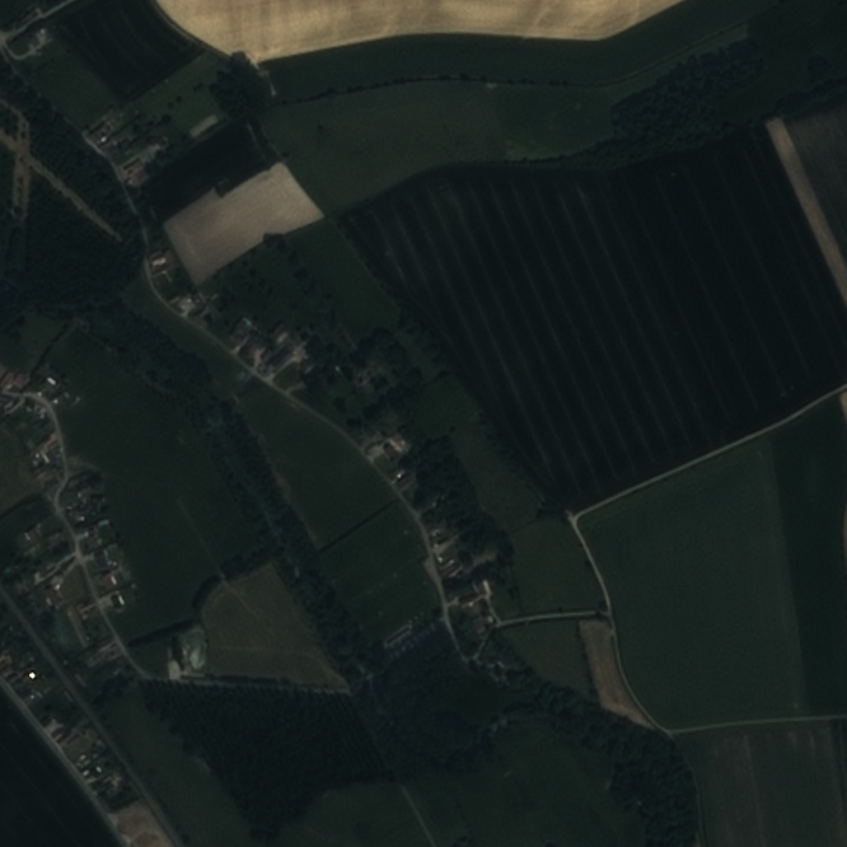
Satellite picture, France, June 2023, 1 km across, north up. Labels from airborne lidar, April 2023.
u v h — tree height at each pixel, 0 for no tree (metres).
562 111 0
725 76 24
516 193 0
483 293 0
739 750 0
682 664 0
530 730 0
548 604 0
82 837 0
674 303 0
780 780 0
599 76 0
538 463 0
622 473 0
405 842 0
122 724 0
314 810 0
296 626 0
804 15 0
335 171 0
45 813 0
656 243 0
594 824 0
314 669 0
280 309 0
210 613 0
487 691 0
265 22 0
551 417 0
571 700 17
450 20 0
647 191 0
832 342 0
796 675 0
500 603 0
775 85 0
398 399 24
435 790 0
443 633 31
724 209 0
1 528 0
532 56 0
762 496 0
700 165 0
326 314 21
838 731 0
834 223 0
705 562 0
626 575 0
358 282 0
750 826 0
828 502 0
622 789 20
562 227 0
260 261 0
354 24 0
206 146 0
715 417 0
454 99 0
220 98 9
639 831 0
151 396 0
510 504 0
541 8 0
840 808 0
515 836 0
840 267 0
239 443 25
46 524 0
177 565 0
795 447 0
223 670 0
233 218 0
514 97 0
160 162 10
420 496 17
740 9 0
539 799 0
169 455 0
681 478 0
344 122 0
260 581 0
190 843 8
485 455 0
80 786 0
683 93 18
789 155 0
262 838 16
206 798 0
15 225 9
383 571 0
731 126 7
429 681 33
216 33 0
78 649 0
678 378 0
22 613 0
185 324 0
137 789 0
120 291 11
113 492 0
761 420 0
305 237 0
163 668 0
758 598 0
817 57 0
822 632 0
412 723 38
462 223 0
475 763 32
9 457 0
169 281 0
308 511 0
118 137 0
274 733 22
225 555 0
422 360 0
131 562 0
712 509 0
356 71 0
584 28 0
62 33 0
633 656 0
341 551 0
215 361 0
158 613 0
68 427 0
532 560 0
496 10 0
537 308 0
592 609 0
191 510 0
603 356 0
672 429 0
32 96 18
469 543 7
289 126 0
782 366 0
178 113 0
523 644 0
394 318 0
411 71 0
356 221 0
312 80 0
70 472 0
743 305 0
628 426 0
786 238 0
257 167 0
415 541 0
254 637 0
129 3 0
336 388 0
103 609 0
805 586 0
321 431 0
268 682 9
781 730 0
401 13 0
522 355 0
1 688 0
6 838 0
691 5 0
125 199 10
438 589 0
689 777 15
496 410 0
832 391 0
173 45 0
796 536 0
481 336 0
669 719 0
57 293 16
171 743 0
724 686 0
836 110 0
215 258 0
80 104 0
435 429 0
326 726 20
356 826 0
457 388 0
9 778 0
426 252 0
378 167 0
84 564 0
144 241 9
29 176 0
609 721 7
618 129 6
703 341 0
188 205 0
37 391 0
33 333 0
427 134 0
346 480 0
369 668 18
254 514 8
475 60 0
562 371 0
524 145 0
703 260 0
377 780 9
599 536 0
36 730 0
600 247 0
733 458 0
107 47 0
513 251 0
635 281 0
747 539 0
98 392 0
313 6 0
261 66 0
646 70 0
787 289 0
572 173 0
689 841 17
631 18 0
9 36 0
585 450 0
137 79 0
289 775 20
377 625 0
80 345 0
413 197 0
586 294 0
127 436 0
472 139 0
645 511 0
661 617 0
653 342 0
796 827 0
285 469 0
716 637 0
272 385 0
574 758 0
